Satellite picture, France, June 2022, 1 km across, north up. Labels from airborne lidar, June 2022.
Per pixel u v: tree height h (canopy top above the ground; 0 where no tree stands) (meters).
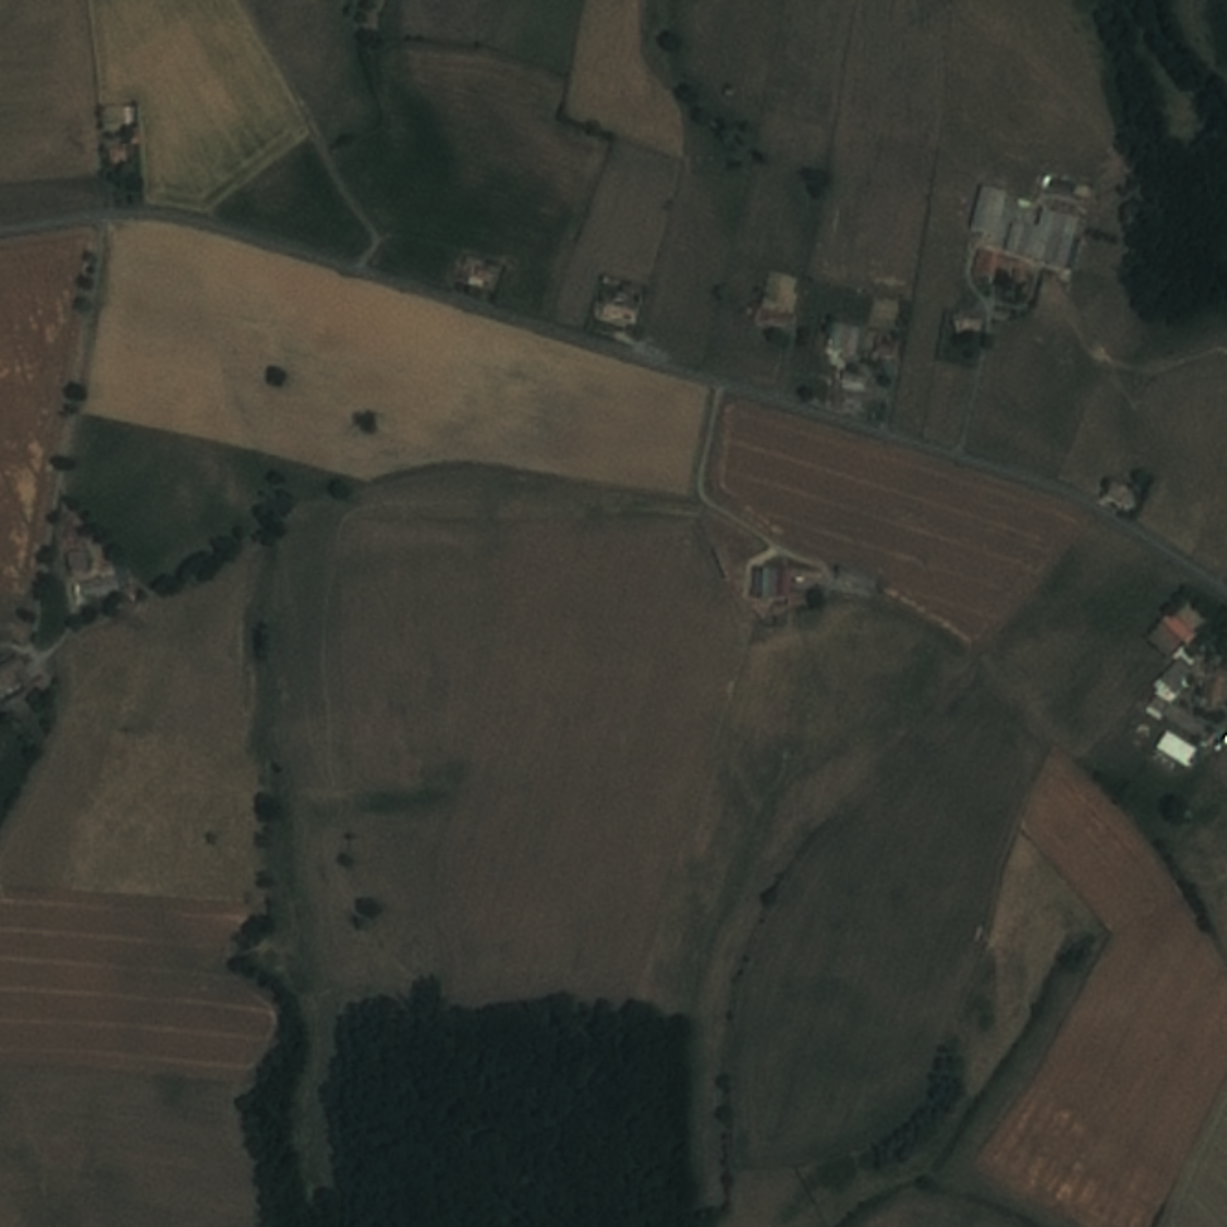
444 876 0
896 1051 0
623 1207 16
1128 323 0
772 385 0
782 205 0
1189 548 0
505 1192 20
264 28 0
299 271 0
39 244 0
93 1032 0
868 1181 0
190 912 0
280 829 0
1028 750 0
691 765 0
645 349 0
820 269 0
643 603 0
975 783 0
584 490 0
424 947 0
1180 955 0
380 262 0
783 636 0
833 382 0
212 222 0
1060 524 0
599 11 0
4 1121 0
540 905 0
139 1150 0
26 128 0
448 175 0
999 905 0
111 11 0
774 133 0
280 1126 24
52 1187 0
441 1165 18
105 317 0
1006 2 0
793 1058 0
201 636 0
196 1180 0
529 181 0
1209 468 0
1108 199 0
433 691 0
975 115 0
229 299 0
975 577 0
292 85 0
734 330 0
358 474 0
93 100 0
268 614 0
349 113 0
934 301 0
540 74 0
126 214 0
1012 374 0
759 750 0
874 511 0
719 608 0
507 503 0
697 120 17
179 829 0
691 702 0
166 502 0
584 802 0
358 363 0
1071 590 0
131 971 0
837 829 0
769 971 0
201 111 0
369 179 0
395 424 0
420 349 0
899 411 0
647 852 0
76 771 0
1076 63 0
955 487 0
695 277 0
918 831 0
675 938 0
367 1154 21
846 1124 0
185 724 0
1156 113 15
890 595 0
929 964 0
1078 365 0
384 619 0
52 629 0
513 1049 19
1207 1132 0
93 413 0
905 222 0
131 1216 0
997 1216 0
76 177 0
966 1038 0
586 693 0
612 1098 20
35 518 0
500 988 0
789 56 0
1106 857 0
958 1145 0
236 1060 0
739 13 0
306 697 0
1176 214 18
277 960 0
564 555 0
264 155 0
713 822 0
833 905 0
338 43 0
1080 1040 0
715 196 0
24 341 0
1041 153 0
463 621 0
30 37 0
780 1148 0
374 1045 17
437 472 0
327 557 0
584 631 0
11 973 0
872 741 0
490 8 0
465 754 0
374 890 0
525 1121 19
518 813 0
